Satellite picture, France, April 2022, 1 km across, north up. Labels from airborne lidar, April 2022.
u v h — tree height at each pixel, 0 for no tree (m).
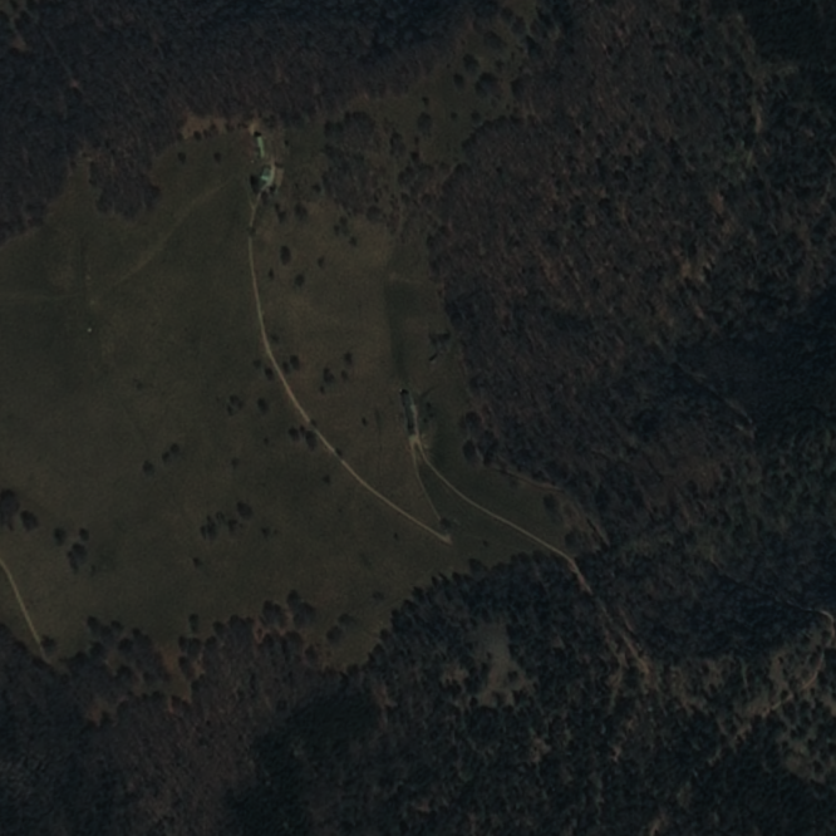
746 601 18
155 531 0
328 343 0
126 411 0
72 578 0
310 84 22
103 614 0
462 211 25
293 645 19
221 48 26
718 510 33
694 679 25
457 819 25
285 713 25
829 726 13
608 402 39
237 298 0
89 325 0
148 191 19
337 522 0
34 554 0
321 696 21
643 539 14
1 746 26
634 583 32
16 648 22
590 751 30
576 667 27
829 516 35
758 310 17
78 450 0
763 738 17
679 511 36
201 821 26
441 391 0
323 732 22
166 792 24
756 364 25
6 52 12
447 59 20
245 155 0
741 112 40
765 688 15
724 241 36
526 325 41
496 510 0
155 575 0
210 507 0
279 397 0
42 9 10
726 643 16
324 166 0
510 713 22
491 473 0
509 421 36
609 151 37
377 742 21
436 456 0
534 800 25
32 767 26
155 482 0
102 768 22
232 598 0
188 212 0
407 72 25
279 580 0
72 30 16
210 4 29
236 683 18
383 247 0
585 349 39
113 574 0
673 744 18
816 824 19
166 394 0
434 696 14
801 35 24
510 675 10
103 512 0
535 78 13
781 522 40
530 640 20
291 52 25
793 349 18
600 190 34
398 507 0
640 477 13
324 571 0
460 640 18
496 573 9
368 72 28
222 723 25
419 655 13
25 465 0
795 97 35
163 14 26
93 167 10
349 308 0
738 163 28
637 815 24
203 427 0
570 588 34
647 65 40
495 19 16
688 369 14
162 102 20
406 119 0
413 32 31
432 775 23
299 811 32
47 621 0
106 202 13
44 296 0
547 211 35
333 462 0
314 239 0
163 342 0
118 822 18
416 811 16
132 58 21
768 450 19
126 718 19
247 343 0
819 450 21
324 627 0
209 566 0
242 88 21
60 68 16
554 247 35
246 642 19
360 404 0
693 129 39
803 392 21
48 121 15
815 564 24
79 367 0
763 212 40
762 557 26
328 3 25
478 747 19
